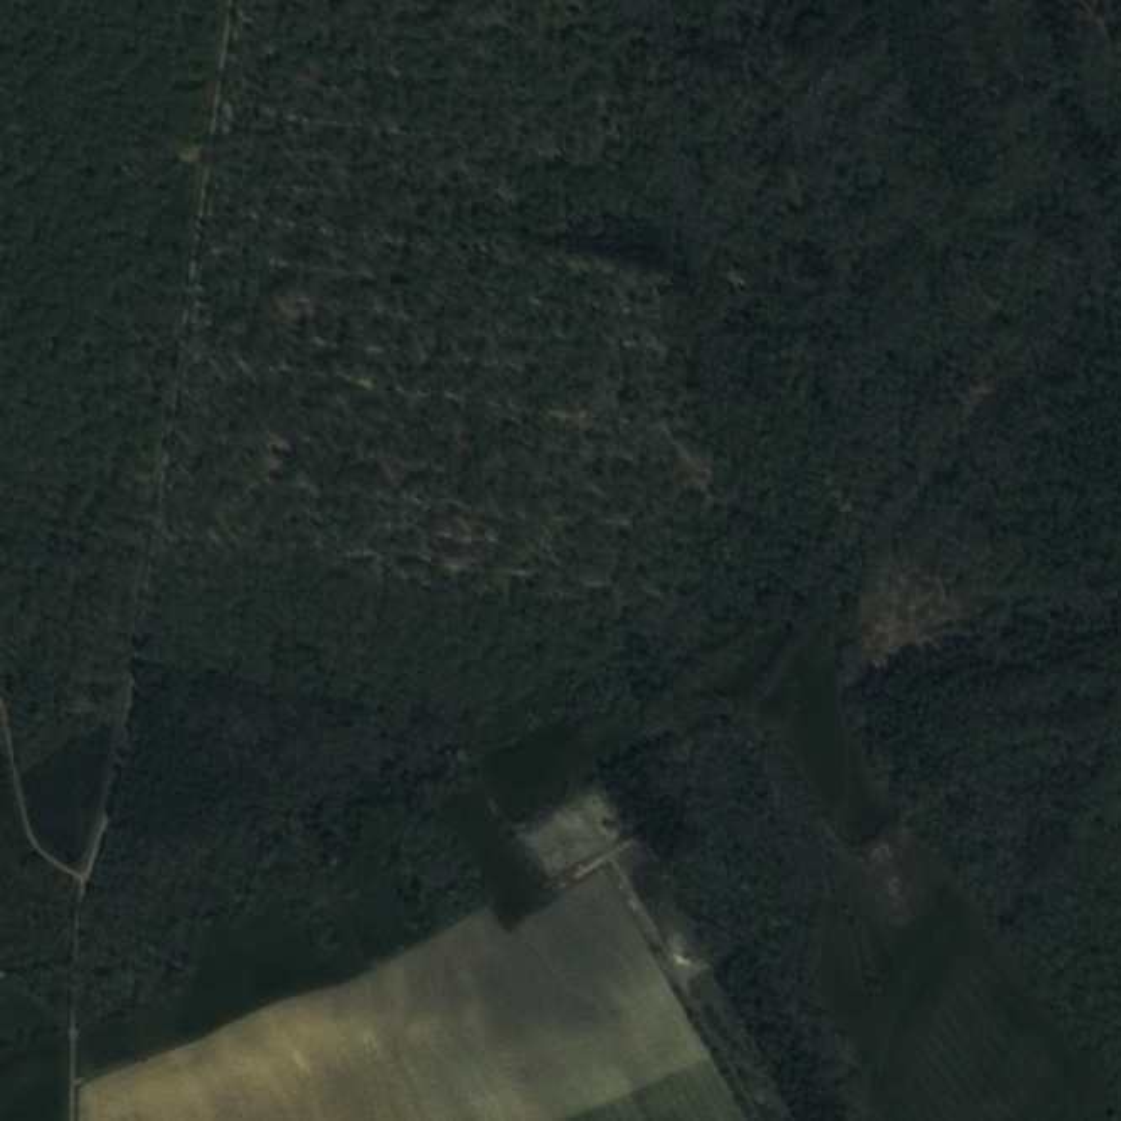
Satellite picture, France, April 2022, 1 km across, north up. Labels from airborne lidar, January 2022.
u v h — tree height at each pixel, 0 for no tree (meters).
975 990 0
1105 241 24
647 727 16
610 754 0
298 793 19
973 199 21
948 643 0
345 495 23
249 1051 0
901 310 20
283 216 24
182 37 24
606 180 24
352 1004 0
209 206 0
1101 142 21
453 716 24
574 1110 0
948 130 29
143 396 22
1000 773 26
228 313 22
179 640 24
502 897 0
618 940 0
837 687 0
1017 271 26
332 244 26
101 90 23
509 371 22
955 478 8
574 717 15
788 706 0
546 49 27
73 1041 0
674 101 13
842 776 0
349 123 28
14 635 21
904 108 28
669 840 17
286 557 28
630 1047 0
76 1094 0
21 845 13
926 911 0
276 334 24
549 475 25
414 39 27
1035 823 25
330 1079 0
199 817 18
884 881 0
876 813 0
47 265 22
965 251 24
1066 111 25
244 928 0
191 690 23
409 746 19
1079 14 24
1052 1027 0
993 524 24
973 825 19
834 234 29
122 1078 0
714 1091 0
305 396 29
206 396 26
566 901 0
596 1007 0
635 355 27
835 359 22
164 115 25
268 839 19
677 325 23
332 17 24
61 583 24
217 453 23
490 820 0
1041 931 23
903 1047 0
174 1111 0
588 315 23
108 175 24
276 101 20
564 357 28
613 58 27
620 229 22
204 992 0
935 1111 0
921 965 0
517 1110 0
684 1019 0
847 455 17
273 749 23
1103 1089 0
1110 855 23
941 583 0
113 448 24
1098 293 18
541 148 27
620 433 27
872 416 20
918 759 25
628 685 20
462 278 24
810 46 19
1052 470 27
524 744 0
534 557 27
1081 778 22
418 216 27
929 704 26
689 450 26
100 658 23
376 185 30
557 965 0
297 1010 0
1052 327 18
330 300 26
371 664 24
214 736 20
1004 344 27
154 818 20
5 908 7
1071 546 27
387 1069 0
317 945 15
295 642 25
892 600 0
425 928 5
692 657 25
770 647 0
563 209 18
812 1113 15
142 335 25
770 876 18
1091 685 27
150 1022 0
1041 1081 0
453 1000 0
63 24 23
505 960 0
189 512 25
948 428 26
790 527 18
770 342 10
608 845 0
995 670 23
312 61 23
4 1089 0
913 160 22
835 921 0
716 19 21
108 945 15
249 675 26
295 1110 0
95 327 25
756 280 0
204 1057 0
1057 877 24
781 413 19
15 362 23
